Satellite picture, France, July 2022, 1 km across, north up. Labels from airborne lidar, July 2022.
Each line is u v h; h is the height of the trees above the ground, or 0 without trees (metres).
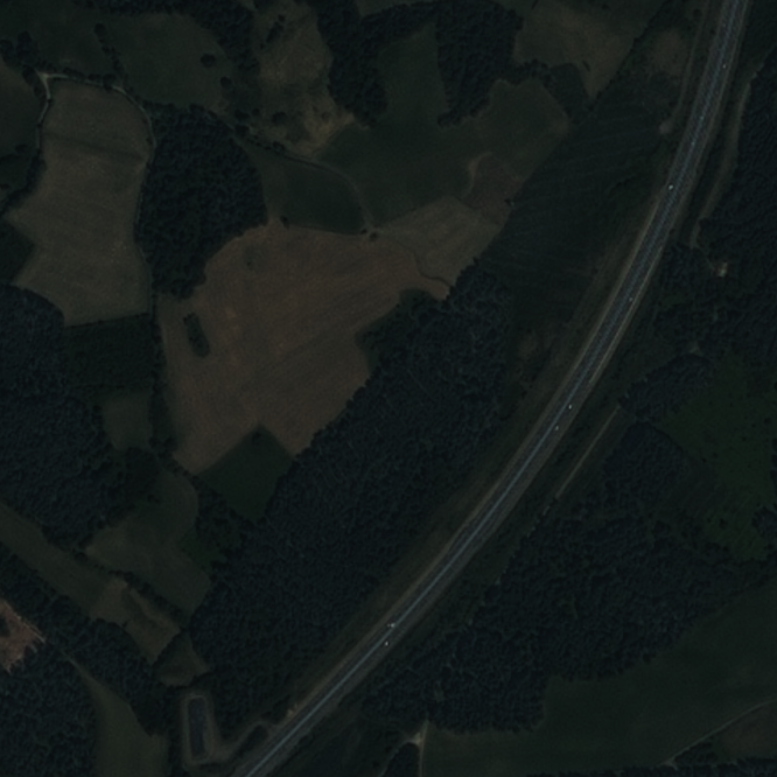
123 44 0
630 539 24
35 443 22
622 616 15
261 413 0
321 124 0
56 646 18
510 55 8
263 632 17
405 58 0
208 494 10
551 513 7
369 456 20
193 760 0
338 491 18
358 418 17
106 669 19
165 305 0
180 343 0
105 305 0
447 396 16
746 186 14
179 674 0
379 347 7
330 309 0
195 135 16
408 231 0
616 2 0
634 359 0
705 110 0
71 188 0
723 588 14
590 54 0
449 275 0
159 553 0
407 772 15
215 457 0
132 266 0
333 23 25
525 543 14
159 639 0
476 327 20
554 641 24
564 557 13
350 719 0
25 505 22
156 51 0
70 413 24
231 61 15
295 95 0
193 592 0
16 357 19
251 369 0
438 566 0
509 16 14
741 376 0
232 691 19
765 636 0
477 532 0
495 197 0
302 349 0
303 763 0
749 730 0
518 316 0
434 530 0
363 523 23
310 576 19
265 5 17
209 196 9
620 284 0
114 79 9
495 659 21
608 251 0
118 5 7
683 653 0
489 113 0
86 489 20
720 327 13
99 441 17
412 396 18
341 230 0
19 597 28
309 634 24
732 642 0
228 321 0
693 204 7
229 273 0
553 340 0
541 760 0
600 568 17
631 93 0
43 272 0
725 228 16
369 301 0
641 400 21
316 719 0
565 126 0
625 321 0
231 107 0
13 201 17
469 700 26
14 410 23
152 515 0
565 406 0
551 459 0
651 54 0
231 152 9
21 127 0
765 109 15
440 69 10
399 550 13
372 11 0
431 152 0
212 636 23
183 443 0
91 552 0
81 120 0
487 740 0
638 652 21
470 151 0
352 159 0
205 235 11
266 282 0
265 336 0
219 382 0
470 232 0
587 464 0
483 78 14
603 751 0
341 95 19
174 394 0
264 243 0
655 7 0
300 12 0
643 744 0
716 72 0
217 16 16
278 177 0
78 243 0
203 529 16
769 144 21
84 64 0
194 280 8
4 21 0
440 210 0
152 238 18
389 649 0
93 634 32
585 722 0
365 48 18
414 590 0
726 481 0
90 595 0
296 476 16
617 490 32
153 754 0
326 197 0
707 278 12
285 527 19
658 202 0
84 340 7
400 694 18
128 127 0
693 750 9
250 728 0
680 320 11
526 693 22
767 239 18
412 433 19
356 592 19
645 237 0
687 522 10
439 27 10
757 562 6
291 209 0
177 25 0
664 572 14
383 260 0
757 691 0
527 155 0
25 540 0
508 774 0
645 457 32
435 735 0
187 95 0
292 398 0
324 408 0
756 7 6
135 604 0
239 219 15
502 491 0
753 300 17
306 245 0
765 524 20
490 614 15
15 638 0
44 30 0
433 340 15
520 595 19
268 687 6
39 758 6
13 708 21
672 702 0
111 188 0
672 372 20
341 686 0
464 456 18
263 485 0
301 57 0
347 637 0
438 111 0
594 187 0
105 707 0
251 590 19
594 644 22
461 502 0
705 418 0
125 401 0
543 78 6
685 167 0
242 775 0
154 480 12
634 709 0
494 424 13
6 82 0
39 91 7
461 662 23
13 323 24
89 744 13
